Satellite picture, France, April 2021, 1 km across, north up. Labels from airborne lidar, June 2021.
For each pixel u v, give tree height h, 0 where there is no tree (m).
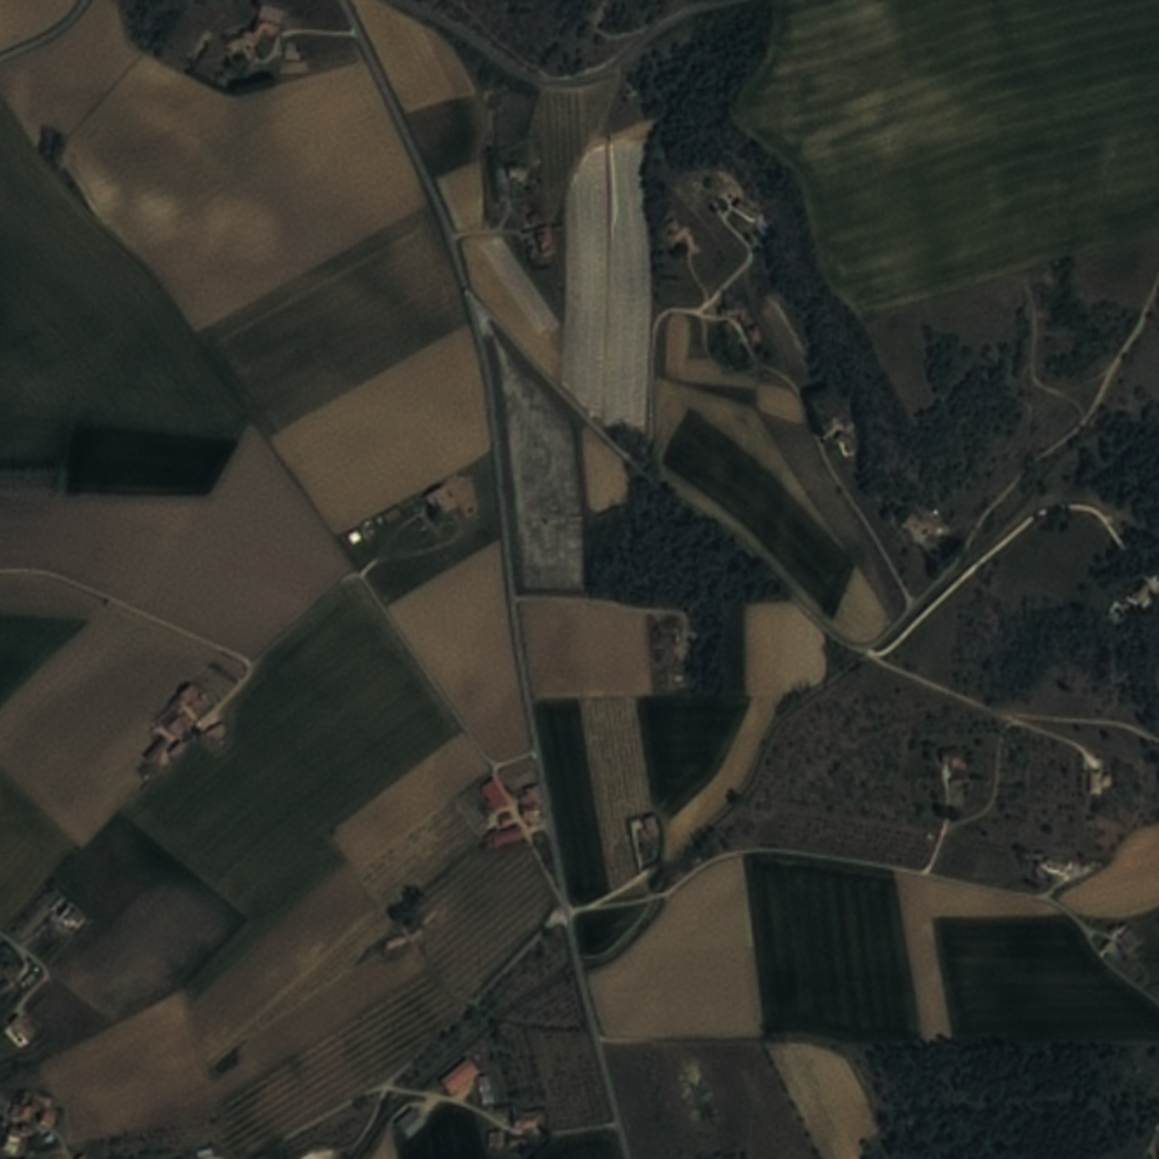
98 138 0
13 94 0
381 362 0
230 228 0
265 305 0
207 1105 0
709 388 0
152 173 0
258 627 0
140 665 0
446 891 0
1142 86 0
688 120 12
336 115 0
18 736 0
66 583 0
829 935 0
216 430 0
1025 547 0
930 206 0
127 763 0
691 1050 0
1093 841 0
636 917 0
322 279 0
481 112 0
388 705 0
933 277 0
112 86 0
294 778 0
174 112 0
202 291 0
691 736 0
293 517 0
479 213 0
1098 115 0
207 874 0
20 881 0
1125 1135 9
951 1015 0
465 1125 0
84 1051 0
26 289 0
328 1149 0
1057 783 6
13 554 0
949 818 9
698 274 0
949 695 0
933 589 0
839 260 0
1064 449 6
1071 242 0
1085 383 0
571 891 0
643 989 0
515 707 0
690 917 0
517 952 0
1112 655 13
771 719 0
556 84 0
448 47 0
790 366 0
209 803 0
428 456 0
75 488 0
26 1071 7
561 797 0
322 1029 0
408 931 14
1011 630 11
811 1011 0
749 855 0
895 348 0
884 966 0
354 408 0
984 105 0
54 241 0
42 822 0
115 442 0
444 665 0
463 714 0
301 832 0
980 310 0
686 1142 0
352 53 0
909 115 0
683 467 0
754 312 0
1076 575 0
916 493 9
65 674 0
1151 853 0
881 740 6
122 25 0
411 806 0
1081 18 0
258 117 0
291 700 0
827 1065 0
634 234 0
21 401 0
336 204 0
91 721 0
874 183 0
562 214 0
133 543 0
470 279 0
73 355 0
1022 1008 0
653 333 0
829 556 0
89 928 0
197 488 0
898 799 8
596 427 0
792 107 0
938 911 0
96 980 0
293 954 0
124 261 0
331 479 0
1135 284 0
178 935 0
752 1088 0
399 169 0
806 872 0
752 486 0
